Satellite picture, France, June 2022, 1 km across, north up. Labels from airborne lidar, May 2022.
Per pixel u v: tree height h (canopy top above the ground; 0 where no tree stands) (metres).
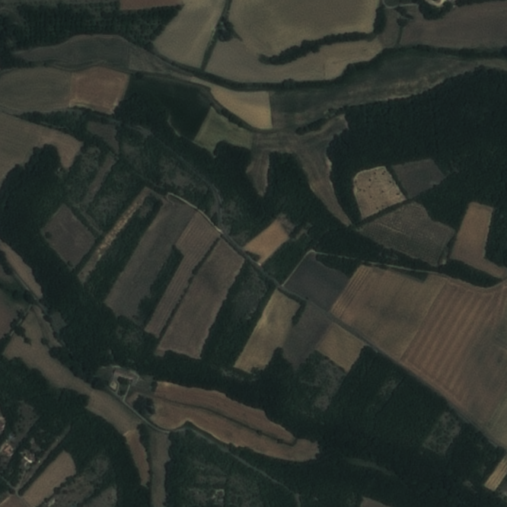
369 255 12
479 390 0
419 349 0
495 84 17
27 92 0
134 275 0
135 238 10
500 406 0
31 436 10
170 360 11
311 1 0
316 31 0
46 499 10
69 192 8
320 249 8
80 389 0
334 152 19
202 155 16
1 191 13
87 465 10
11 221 18
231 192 10
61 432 9
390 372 9
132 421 0
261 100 0
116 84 0
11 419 12
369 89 0
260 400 19
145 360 12
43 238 6
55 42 7
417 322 0
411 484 21
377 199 0
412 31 0
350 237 15
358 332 0
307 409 7
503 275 0
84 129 12
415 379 12
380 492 13
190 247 0
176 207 0
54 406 14
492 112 18
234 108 0
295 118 0
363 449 16
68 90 0
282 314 0
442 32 0
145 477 0
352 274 6
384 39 0
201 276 0
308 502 11
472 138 16
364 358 12
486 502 19
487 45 0
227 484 7
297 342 0
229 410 0
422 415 10
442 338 0
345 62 0
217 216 8
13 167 0
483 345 0
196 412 0
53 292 20
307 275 0
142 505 14
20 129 0
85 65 0
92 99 0
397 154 18
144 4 0
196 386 14
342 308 0
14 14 0
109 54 0
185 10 0
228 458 6
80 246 0
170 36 0
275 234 0
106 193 6
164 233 0
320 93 0
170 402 0
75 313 10
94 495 8
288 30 0
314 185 0
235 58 0
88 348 19
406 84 0
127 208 7
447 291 0
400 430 10
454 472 18
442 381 0
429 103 21
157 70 0
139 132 7
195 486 8
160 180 7
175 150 11
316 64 0
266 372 10
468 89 19
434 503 20
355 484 14
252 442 0
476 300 0
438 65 0
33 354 0
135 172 9
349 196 9
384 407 10
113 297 0
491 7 0
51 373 0
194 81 0
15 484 9
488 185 11
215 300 0
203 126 0
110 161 0
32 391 10
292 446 0
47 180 9
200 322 0
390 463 18
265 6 0
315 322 0
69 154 0
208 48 0
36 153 12
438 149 14
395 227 0
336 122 0
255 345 0
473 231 0
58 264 13
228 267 0
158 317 0
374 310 0
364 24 0
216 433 0
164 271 7
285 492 10
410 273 6
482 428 0
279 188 14
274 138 0
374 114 16
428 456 10
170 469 19
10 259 0
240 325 10
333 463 21
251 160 14
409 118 15
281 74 0
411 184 0
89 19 7
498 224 6
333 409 10
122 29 8
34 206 8
